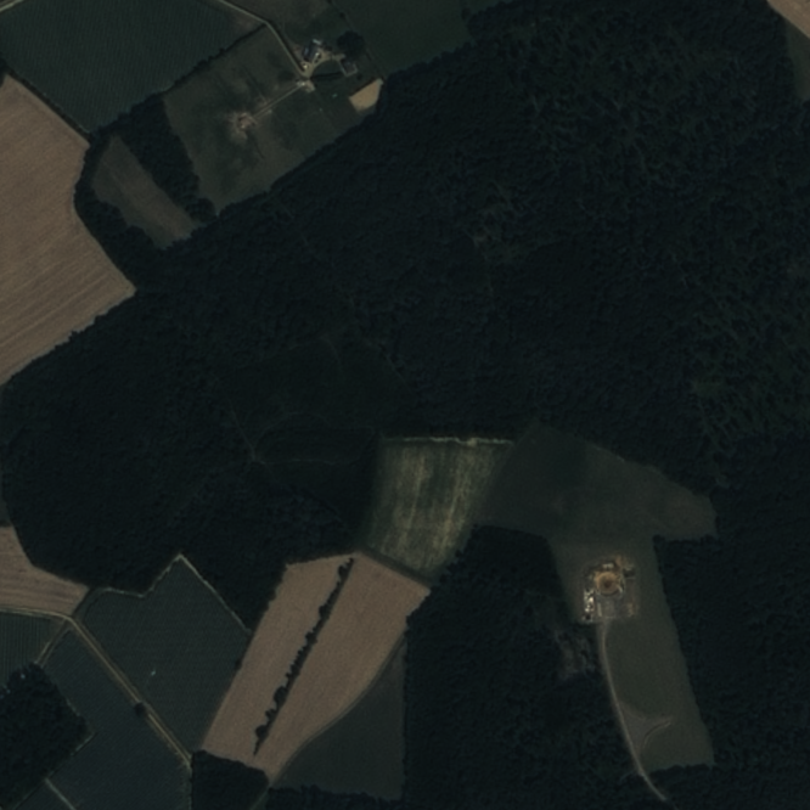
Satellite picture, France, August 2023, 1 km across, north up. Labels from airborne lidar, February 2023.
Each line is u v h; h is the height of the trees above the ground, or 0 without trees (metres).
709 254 19
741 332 25
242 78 0
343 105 0
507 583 16
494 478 0
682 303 26
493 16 17
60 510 10
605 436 17
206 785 14
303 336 13
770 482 27
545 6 20
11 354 0
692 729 0
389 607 0
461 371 19
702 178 25
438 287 21
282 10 0
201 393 9
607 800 16
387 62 0
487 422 19
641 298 20
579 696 18
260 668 0
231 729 0
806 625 19
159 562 12
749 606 22
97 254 0
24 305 0
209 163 0
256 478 6
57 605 0
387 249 16
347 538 25
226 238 18
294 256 19
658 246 23
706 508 0
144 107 9
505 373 18
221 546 9
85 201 16
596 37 0
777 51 10
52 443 14
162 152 20
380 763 0
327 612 11
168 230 0
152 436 12
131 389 13
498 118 18
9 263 0
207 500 11
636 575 0
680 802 15
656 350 18
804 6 0
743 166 25
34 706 23
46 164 0
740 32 16
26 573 0
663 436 24
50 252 0
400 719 0
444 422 14
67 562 13
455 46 0
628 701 0
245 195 0
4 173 0
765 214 22
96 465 13
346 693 0
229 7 0
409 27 0
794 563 17
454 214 20
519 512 0
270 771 0
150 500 11
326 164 10
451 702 13
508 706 13
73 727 17
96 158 15
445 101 20
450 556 0
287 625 0
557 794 20
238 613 10
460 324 15
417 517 0
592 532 0
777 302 20
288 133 0
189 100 0
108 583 9
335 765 0
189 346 12
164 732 0
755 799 14
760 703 16
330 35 0
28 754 19
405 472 0
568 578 0
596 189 19
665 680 0
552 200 26
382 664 0
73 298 0
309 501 26
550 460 0
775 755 25
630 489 0
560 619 0
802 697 16
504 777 21
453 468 0
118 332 14
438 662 14
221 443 16
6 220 0
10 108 0
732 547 18
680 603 14
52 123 0
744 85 22
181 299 18
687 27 21
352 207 15
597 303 17
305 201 14
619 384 21
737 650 15
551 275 9
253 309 20
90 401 15
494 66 17
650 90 15
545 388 12
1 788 12
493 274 8
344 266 18
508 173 25
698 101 22
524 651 14
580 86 24
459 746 15
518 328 15
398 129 19
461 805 13
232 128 0
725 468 23
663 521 0
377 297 18
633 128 23
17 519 13
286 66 0
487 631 16
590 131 23
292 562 10
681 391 20
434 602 11
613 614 0
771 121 19
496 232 20
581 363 18
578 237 11
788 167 21
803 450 25
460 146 21
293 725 0
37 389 15
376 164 8
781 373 0
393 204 16
